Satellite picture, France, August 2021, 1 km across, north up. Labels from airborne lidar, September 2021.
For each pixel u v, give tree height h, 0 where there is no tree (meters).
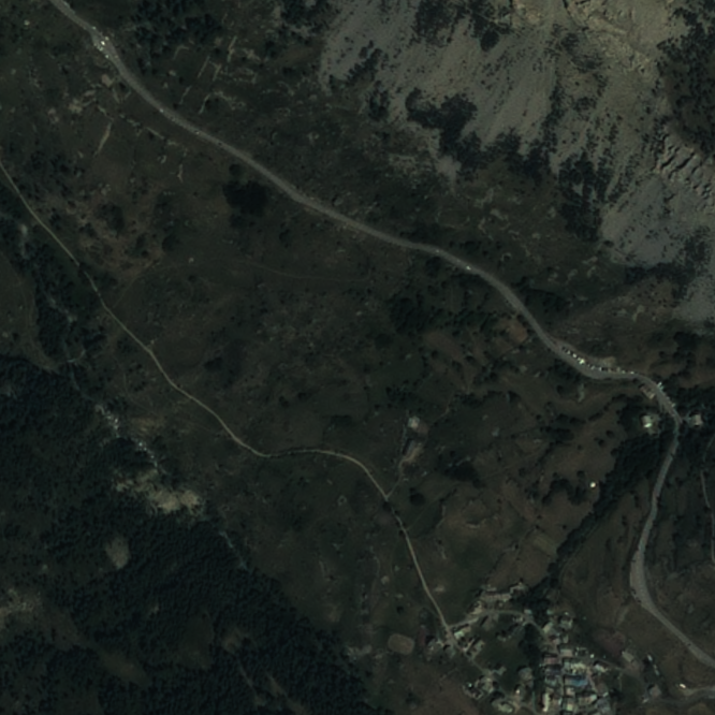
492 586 0
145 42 18
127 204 0
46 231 0
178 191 0
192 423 0
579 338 0
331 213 0
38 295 7
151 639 25
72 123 0
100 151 0
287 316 0
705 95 9
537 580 0
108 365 0
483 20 5
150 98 0
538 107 0
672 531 0
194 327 0
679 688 0
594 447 0
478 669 0
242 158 0
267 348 0
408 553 0
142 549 10
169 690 22
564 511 0
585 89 0
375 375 0
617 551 0
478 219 0
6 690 11
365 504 0
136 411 0
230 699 21
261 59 0
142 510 9
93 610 20
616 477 10
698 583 0
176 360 0
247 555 11
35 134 0
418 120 7
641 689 0
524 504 0
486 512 0
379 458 0
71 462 6
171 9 18
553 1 0
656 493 0
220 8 0
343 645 6
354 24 0
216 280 0
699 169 0
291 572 0
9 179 0
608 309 0
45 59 0
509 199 0
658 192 0
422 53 0
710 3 6
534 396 0
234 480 0
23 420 17
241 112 0
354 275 0
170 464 6
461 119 7
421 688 0
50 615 0
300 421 0
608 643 0
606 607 0
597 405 0
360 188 0
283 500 0
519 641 0
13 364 22
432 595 0
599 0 0
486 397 8
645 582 0
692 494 0
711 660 0
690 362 8
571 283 0
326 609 0
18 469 6
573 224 6
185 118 0
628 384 6
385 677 0
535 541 0
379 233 0
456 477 10
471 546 0
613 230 0
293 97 0
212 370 9
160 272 0
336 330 0
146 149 0
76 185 0
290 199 0
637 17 0
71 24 0
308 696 31
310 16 6
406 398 10
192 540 15
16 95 0
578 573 0
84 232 11
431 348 0
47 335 12
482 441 0
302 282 0
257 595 22
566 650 0
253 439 0
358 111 0
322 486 0
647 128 0
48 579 10
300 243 0
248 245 0
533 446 0
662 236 0
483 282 10
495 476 0
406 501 0
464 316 10
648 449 10
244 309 0
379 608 0
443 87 0
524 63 0
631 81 0
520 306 0
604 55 0
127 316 0
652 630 0
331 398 0
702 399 7
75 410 8
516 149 6
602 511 12
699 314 0
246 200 13
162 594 13
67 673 19
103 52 0
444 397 0
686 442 9
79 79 0
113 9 0
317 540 0
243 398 0
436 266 9
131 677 0
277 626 18
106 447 6
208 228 0
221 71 0
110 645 22
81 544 11
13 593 0
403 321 11
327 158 0
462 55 0
